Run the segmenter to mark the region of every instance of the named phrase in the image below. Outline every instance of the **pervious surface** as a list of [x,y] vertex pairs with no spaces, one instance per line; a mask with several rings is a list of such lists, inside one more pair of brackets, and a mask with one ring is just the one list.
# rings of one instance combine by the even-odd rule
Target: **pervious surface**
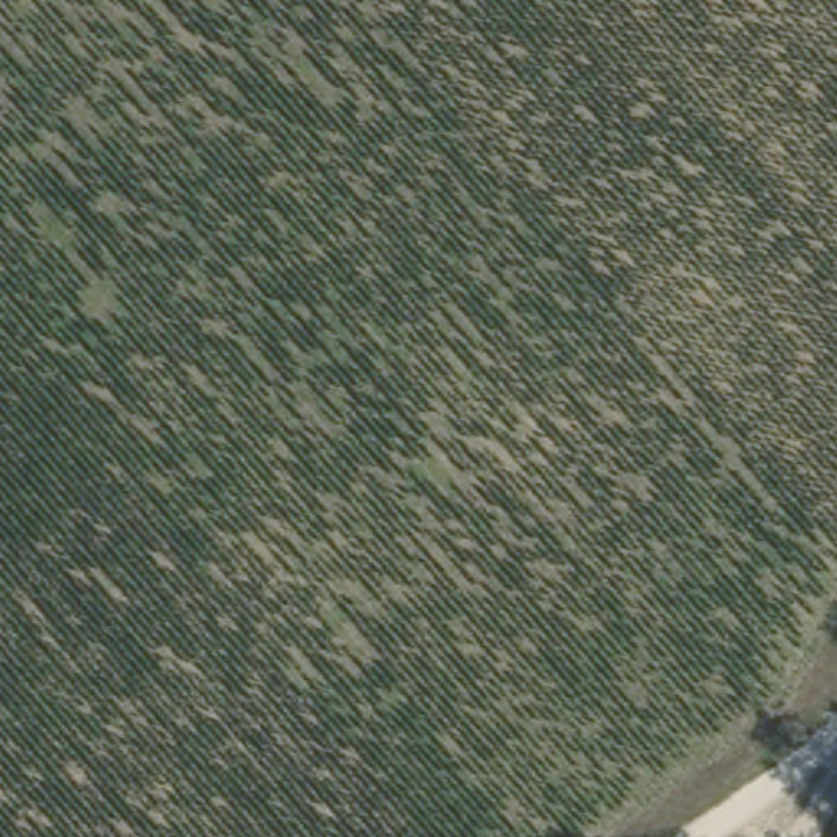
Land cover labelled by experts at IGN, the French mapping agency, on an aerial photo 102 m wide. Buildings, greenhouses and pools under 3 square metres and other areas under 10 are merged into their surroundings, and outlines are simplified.
[[827,719],[827,726],[817,729],[808,739],[808,745],[781,755],[781,762],[768,775],[759,775],[755,781],[742,785],[723,804],[687,824],[687,830],[680,830],[677,837],[837,837],[837,716]]

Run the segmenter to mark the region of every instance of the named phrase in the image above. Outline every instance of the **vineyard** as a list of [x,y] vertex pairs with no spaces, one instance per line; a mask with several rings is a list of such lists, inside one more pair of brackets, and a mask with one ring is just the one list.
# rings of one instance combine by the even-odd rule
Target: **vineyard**
[[817,729],[827,726],[827,719],[837,716],[837,0],[0,0],[0,837],[677,837],[680,830],[687,830],[687,824],[723,804],[742,785],[755,781],[759,775],[768,775],[781,762],[781,755],[808,745],[808,739]]

